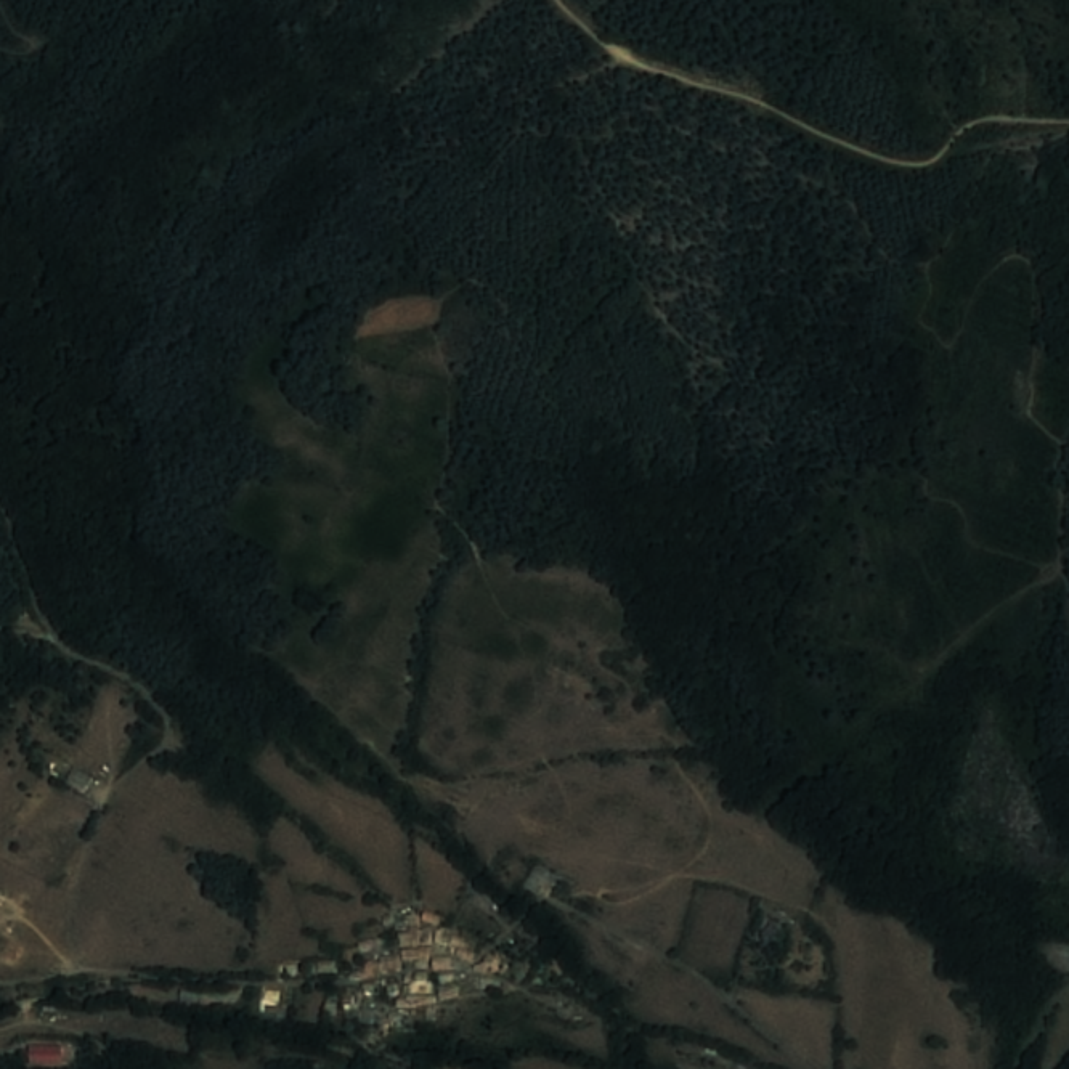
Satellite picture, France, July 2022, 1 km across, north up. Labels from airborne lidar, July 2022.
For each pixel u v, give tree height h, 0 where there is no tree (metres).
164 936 0
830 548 18
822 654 7
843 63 12
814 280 8
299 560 0
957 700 9
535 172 11
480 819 0
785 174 18
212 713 17
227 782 7
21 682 12
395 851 0
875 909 13
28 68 12
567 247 13
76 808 0
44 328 26
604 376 8
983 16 8
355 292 19
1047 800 17
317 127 22
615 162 17
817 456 21
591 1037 0
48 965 0
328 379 13
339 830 0
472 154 8
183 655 16
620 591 13
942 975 12
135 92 20
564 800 0
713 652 20
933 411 14
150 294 11
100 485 18
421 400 0
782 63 19
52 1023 0
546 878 0
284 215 23
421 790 0
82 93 18
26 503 23
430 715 0
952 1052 0
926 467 13
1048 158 17
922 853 10
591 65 9
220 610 21
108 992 10
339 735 10
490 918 7
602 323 18
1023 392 0
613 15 15
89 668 8
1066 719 15
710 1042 9
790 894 0
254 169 19
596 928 0
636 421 14
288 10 11
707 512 23
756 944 8
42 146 15
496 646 0
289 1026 10
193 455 19
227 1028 15
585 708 0
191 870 16
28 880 0
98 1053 6
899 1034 0
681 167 20
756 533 21
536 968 8
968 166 15
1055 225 17
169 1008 16
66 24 16
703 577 27
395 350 0
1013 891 11
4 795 0
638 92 13
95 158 18
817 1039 0
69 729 8
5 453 22
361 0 19
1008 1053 9
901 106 8
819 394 16
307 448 0
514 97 17
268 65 13
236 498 15
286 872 0
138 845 0
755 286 19
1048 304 17
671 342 15
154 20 17
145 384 27
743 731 24
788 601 10
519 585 0
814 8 17
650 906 0
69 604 17
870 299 16
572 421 12
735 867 0
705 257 14
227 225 13
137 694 6
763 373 19
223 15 12
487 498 14
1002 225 14
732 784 14
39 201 22
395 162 16
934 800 6
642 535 19
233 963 0
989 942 21
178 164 13
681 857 0
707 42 14
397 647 0
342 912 0
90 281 9
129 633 19
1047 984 19
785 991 6
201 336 20
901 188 13
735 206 21
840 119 10
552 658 0
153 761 16
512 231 16
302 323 16
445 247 15
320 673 0
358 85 6
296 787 0
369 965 0
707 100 18
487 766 0
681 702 17
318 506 0
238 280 27
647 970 0
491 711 0
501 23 17
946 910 17
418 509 0
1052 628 9
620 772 0
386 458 0
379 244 15
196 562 21
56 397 27
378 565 0
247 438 21
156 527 20
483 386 11
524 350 11
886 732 8
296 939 0
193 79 17
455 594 0
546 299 11
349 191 14
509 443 10
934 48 23
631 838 0
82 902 0
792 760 28
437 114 19
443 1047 8
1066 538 10
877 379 22
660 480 15
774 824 13
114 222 13
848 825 28
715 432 16
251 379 0
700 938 0
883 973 0
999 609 0
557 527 6
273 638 20
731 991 7
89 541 24
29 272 21
